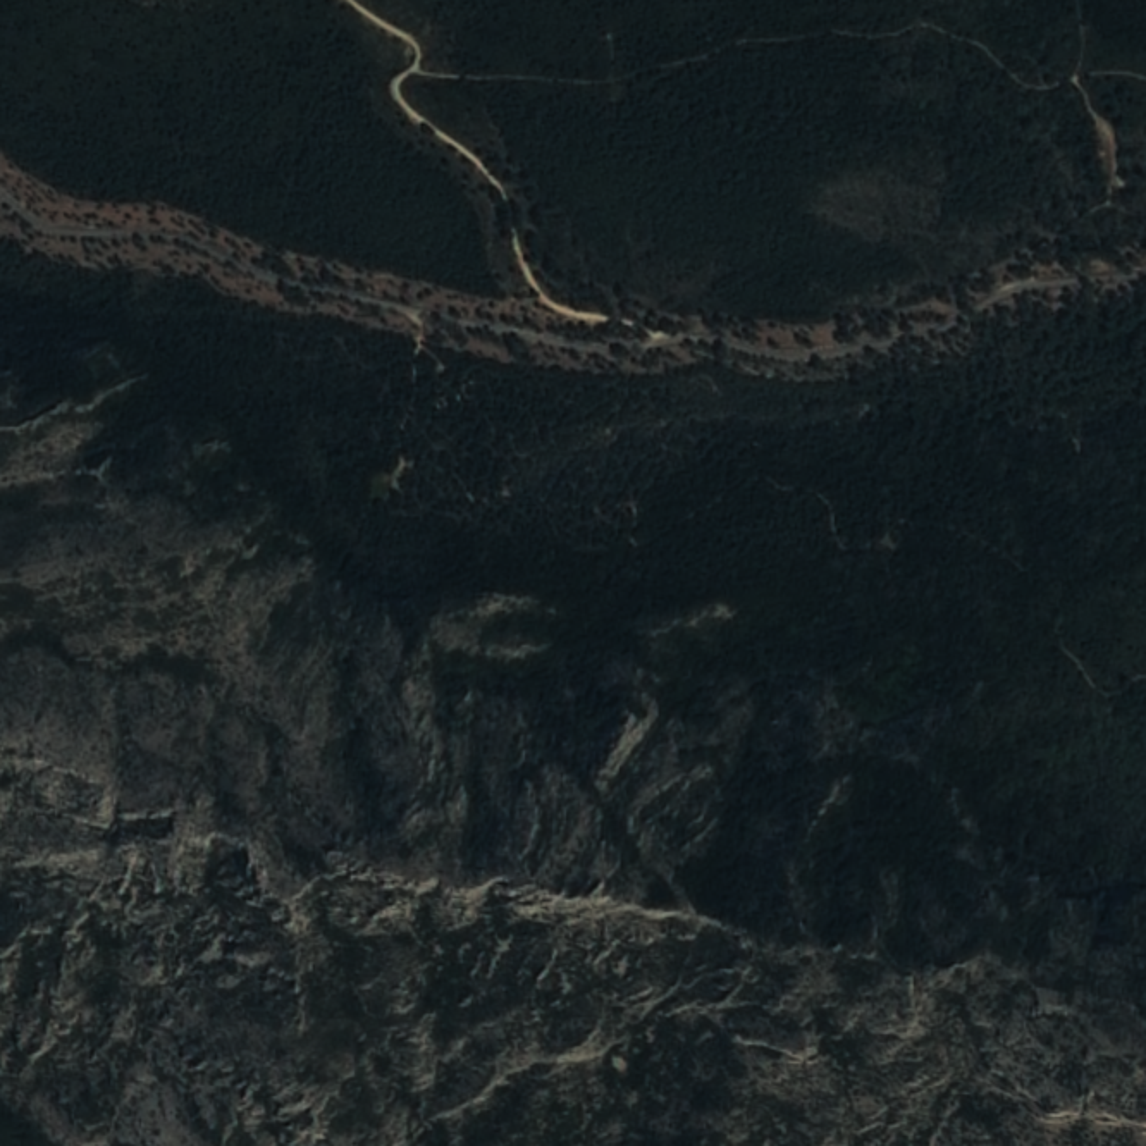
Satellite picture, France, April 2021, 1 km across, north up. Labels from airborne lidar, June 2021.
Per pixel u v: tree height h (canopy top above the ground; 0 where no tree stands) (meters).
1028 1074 0
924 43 6
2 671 0
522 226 13
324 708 0
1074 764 9
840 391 8
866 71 9
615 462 6
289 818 0
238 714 0
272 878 0
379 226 8
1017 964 0
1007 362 10
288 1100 0
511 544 5
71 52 0
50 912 0
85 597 0
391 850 0
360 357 7
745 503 6
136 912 0
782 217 10
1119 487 8
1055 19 6
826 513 7
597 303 13
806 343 11
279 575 0
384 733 0
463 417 6
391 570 7
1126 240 6
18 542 0
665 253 9
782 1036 0
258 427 6
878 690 10
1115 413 7
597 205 10
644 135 9
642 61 8
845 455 7
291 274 10
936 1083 15
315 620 0
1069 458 6
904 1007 0
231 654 0
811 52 8
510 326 11
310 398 6
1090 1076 0
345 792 0
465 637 0
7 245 7
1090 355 13
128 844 0
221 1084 0
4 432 0
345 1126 0
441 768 0
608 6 7
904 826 5
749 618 7
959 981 0
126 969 0
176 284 6
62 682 0
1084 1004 0
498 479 8
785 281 8
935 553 5
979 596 5
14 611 0
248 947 0
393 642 0
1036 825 10
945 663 6
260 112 7
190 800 0
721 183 8
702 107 7
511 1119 0
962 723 7
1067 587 6
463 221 8
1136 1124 34
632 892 0
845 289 6
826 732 0
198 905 0
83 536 0
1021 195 7
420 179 9
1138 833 13
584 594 8
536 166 8
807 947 0
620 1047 6
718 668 7
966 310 12
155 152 7
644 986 0
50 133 6
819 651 6
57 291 6
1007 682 5
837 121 7
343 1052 0
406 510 6
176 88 7
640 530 6
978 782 7
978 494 6
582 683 6
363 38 0
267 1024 0
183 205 8
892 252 7
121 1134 0
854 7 7
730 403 7
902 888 7
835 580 8
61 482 0
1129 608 8
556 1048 0
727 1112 0
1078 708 10
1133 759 11
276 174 6
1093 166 13
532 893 0
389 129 7
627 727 0
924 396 14
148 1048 0
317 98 7
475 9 7
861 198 0
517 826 0
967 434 9
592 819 0
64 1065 0
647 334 10
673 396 8
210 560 0
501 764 0
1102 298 15
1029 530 6
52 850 0
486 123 0
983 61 8
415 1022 0
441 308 8
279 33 8
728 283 7
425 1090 0
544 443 9
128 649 0
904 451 6
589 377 8
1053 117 7
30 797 0
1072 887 12
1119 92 8
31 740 0
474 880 0
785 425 8
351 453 10
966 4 6
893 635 6
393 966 0
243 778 0
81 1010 0
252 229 9
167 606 0
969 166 9
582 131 9
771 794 6
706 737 0
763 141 7
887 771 7
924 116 8
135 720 0
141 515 0
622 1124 0
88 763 0
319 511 8
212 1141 0
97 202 7
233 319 6
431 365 9
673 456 8
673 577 7
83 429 0
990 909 0
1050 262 17
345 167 7
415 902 7
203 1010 0
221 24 7
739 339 12
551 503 7
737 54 8
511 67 0
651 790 0
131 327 6
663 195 8
